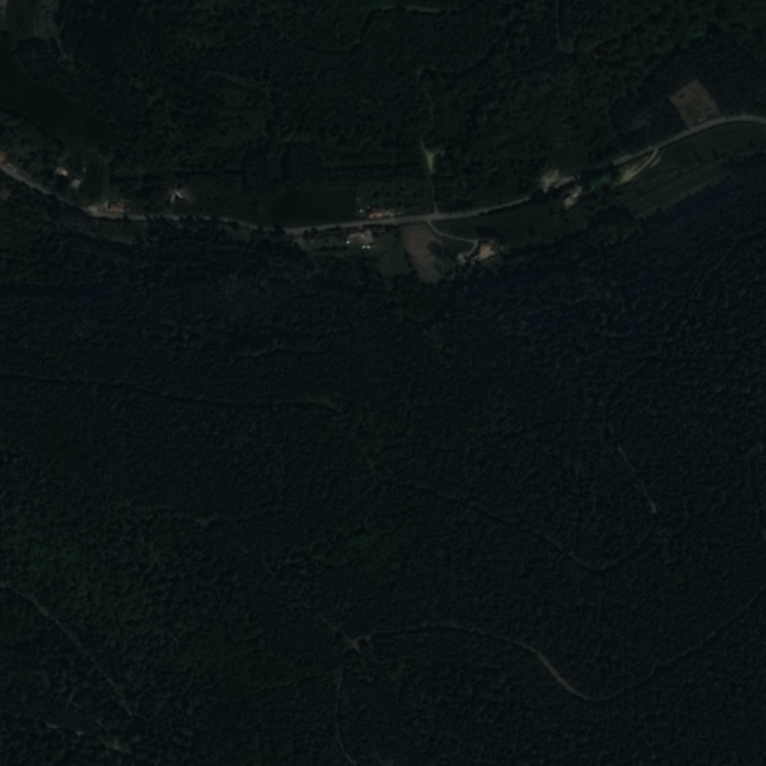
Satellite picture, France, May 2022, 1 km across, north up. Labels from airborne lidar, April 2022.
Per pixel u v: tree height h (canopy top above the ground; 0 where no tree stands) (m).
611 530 15
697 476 23
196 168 7
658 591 23
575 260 9
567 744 21
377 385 22
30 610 25
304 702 9
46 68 24
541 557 14
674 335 22
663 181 0
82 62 20
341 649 12
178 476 22
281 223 0
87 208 0
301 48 14
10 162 0
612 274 24
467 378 22
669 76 30
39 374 16
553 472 25
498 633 19
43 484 15
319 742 14
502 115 15
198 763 18
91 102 18
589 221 0
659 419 20
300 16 17
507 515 20
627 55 15
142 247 7
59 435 19
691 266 25
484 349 14
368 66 13
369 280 28
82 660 24
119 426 21
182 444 25
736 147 0
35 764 20
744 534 19
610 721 20
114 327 32
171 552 19
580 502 24
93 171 0
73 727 13
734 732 22
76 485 13
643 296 31
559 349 34
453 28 11
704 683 21
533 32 16
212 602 20
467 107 9
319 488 24
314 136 22
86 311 30
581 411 17
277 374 22
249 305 29
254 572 14
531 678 21
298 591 19
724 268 27
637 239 25
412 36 10
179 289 24
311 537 19
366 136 24
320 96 15
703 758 23
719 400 24
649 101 26
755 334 22
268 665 20
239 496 23
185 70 13
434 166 0
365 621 16
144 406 21
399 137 14
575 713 23
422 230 0
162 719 21
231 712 19
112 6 14
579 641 25
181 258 12
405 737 15
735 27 22
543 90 13
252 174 27
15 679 15
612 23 13
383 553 14
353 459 22
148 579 25
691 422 21
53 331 28
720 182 0
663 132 26
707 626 20
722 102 28
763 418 29
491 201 19
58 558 19
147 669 29
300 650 9
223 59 12
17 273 10
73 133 0
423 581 21
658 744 19
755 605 18
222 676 17
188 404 24
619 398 21
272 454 16
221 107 12
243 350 27
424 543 20
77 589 21
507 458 21
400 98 15
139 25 12
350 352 21
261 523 16
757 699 20
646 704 26
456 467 23
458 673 10
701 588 23
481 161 23
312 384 19
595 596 19
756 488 22
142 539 22
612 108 28
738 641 23
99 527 16
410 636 11
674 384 29
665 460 19
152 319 32
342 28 9
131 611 19
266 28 25
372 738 9
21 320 31
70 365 19
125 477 22
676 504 22
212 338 5
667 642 26
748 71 27
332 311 22
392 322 20
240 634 20
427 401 18
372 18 15
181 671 19
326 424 21
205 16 9
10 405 19
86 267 34
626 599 23
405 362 21
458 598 23
